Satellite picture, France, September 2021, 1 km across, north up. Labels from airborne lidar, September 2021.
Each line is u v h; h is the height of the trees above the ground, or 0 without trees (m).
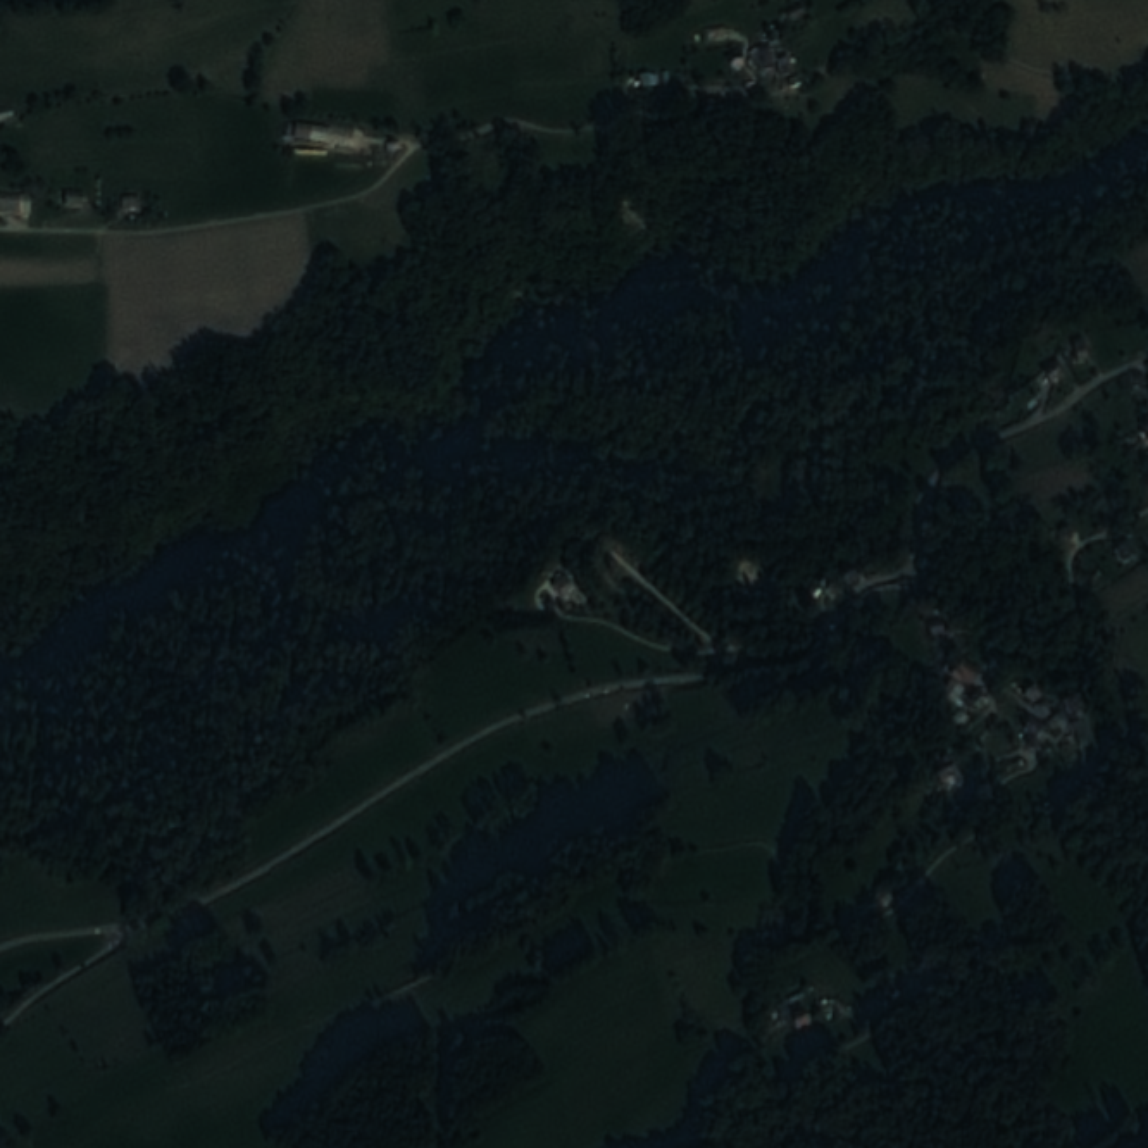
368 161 0
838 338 31
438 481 21
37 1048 0
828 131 17
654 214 30
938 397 13
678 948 0
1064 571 7
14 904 0
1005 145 18
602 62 0
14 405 0
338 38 0
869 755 22
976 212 27
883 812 21
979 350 25
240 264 0
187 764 21
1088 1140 0
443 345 21
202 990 21
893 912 0
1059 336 16
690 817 0
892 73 24
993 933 0
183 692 20
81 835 24
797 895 26
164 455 22
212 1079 0
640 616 19
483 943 25
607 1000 0
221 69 0
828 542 22
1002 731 7
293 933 0
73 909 0
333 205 0
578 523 23
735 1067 23
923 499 0
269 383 24
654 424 23
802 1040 0
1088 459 12
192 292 0
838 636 16
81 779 20
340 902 0
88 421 28
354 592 37
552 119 0
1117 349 0
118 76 0
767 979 17
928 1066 24
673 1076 0
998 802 20
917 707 28
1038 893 24
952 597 22
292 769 19
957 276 33
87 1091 0
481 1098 21
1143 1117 0
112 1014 0
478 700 0
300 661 30
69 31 0
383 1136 22
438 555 30
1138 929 19
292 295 0
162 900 15
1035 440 0
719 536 21
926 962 25
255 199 0
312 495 9
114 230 0
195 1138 0
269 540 24
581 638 0
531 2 0
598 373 28
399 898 0
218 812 22
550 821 0
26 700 11
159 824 26
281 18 0
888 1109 21
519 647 0
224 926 0
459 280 24
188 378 27
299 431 11
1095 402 0
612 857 24
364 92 0
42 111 14
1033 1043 25
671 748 0
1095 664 23
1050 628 20
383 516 11
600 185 18
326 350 27
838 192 16
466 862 0
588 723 0
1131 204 22
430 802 0
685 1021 6
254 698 23
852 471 27
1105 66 0
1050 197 21
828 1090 21
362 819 0
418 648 28
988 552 29
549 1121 0
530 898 24
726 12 0
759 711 27
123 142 12
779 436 23
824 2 0
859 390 26
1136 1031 0
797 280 14
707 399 18
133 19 0
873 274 30
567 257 17
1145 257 0
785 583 16
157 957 0
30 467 28
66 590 19
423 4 0
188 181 0
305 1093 0
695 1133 14
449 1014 0
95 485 30
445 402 20
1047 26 0
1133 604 0
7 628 31
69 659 23
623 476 25
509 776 0
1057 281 32
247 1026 22
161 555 12
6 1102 0
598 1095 0
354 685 10
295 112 16
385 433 20
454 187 25
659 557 23
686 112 28
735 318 20
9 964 0
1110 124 22
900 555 20
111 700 27
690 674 15
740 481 18
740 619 23
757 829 0
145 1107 0
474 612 30
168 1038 7
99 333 0
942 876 0
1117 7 0
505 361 12
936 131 18
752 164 30
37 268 0
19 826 18
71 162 0
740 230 24
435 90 0
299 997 0
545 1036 0
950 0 21
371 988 0
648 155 27
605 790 0
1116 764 21
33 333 0
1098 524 6
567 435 27
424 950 0
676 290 28
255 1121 0
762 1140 26
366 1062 22
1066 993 0
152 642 26
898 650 0
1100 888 22
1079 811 28
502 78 0
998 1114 23
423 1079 26
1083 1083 0
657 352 27
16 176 10
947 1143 25
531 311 20
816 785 0
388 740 0
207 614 23
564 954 0
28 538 22
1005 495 21
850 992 0
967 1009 29
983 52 15
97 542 29
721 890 0
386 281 26
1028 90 0
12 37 0
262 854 0
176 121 0
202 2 0
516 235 24
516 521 26
